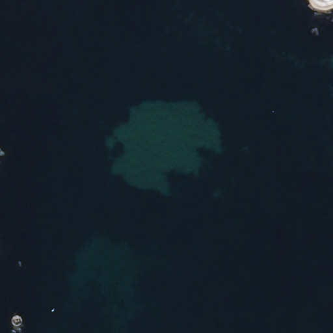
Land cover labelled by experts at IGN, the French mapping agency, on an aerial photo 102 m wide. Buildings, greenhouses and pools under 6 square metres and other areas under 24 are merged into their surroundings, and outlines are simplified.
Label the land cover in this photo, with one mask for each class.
<instances>
[{"label":"water","instance_id":"1","mask_svg":"<svg viewBox=\"0 0 333 333\"><path fill-rule=\"evenodd\" d=\"M0 333H333V0H0Z\"/></svg>","mask_w":333,"mask_h":333}]
</instances>
